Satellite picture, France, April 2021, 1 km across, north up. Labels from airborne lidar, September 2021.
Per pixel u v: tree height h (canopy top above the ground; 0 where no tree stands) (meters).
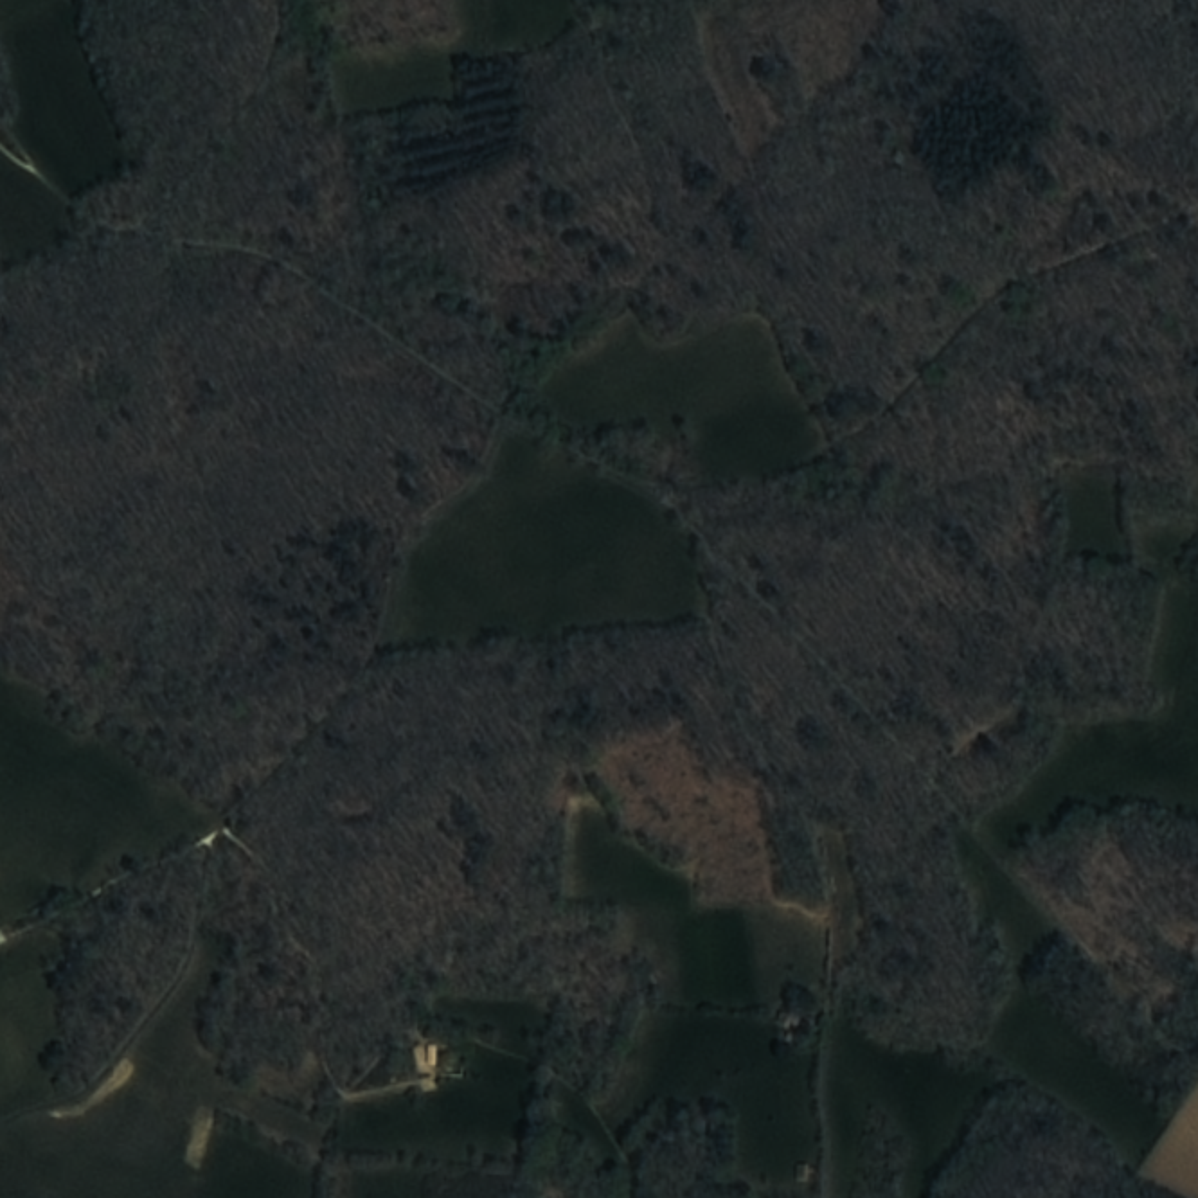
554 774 25
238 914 7
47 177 0
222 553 16
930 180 13
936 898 20
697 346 0
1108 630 19
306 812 14
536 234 14
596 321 14
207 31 17
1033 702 17
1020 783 17
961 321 10
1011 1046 0
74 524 14
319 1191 12
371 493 11
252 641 16
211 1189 0
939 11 14
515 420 15
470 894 15
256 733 18
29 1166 0
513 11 0
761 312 15
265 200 13
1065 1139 20
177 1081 0
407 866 16
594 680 16
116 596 20
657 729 13
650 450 14
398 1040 12
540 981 20
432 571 0
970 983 16
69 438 15
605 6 17
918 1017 22
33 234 0
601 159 16
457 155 11
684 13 21
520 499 0
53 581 14
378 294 11
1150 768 0
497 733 16
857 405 14
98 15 21
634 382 0
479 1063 0
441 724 15
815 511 15
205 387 13
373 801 12
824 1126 10
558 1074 17
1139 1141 0
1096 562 15
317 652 16
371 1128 0
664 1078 0
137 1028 14
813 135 15
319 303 12
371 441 13
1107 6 20
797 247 14
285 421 12
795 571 9
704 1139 21
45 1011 0
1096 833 18
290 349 17
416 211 11
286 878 17
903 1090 0
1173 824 14
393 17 10
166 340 13
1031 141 18
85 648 7
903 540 16
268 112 14
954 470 14
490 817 20
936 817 22
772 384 0
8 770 0
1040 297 11
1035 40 14
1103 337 14
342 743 15
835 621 15
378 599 7
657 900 0
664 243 12
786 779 15
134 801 0
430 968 13
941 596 16
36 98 0
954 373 13
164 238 19
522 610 0
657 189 12
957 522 16
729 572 16
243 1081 14
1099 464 8
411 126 14
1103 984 24
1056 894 20
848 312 10
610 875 0
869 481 11
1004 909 0
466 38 0
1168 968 14
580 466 15
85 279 16
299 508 11
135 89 21
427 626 0
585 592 0
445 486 10
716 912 0
